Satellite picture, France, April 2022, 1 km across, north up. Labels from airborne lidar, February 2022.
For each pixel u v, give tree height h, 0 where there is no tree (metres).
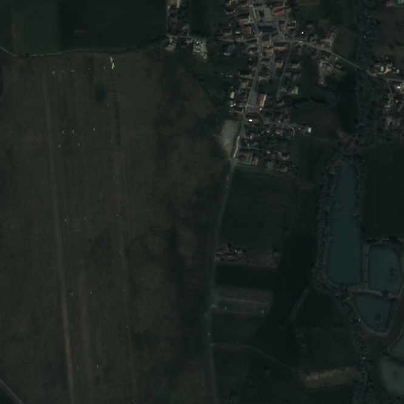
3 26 0
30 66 0
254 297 0
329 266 0
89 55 0
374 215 0
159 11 0
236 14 0
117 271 0
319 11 0
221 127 0
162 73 0
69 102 0
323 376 0
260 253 0
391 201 0
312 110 0
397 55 0
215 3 0
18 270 0
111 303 0
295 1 0
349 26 0
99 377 0
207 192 0
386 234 0
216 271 0
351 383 0
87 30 0
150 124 0
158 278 0
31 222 0
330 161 13
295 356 0
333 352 0
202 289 0
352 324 20
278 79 0
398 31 0
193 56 0
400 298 0
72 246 0
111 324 0
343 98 0
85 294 0
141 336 0
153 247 0
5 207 0
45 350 0
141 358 0
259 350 0
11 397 0
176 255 0
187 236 0
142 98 0
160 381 0
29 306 0
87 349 0
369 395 23
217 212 0
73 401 0
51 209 0
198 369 0
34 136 0
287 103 0
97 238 0
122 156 0
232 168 0
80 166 0
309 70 0
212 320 0
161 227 0
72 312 0
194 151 0
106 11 0
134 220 0
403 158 0
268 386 0
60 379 0
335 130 0
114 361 0
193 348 0
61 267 0
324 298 0
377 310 0
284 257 0
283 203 0
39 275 0
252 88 0
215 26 0
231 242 0
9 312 0
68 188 0
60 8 0
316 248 10
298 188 0
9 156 0
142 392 0
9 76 0
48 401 0
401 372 0
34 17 0
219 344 0
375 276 0
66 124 0
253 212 0
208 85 0
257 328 0
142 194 0
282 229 0
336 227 0
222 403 0
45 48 0
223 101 0
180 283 0
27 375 0
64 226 0
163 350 0
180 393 0
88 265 0
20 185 0
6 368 0
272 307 0
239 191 0
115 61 0
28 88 0
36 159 0
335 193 0
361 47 23
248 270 0
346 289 10
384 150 0
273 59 0
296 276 0
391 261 0
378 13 0
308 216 0
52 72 0
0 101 0
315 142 0
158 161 0
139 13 0
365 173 19
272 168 0
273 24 0
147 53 0
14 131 0
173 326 0
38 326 0
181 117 0
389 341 0
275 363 0
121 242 0
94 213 0
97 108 0
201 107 0
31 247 0
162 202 0
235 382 0
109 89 0
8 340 0
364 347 10
